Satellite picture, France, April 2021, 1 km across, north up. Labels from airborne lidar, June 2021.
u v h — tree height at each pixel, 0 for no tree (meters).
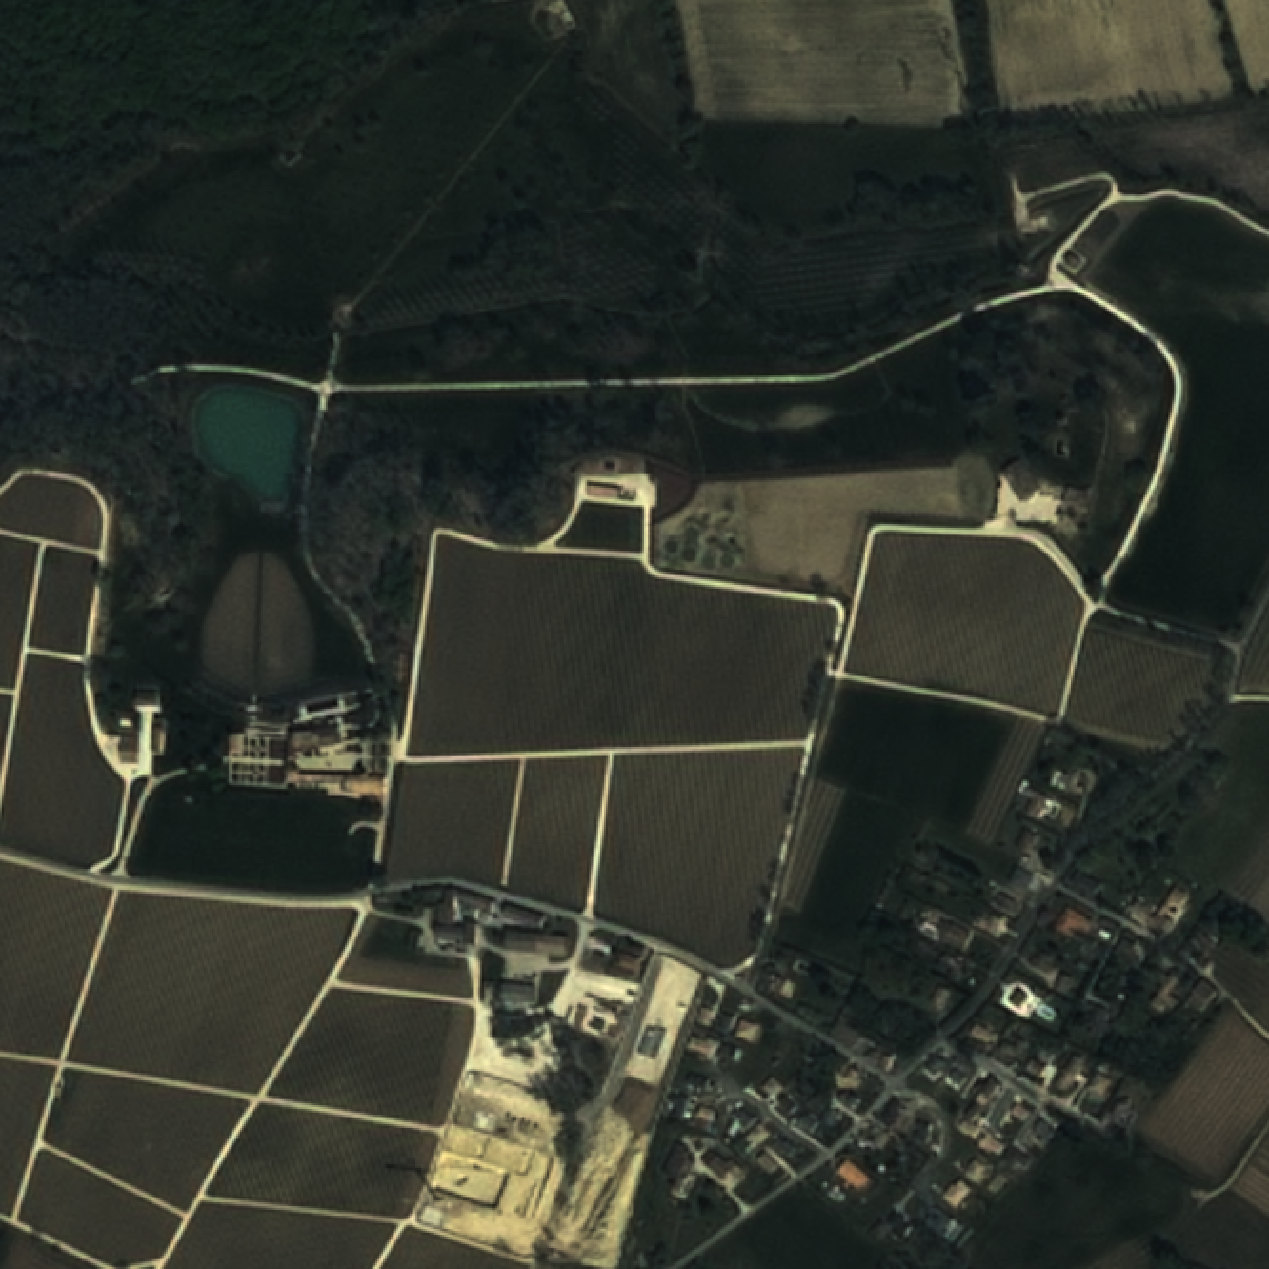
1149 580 0
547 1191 0
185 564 22
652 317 24
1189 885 0
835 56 0
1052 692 0
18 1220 0
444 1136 0
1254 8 0
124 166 15
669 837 0
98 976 0
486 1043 0
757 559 0
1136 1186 0
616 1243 0
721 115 0
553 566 0
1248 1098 0
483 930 9
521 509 24
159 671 0
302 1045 0
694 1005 0
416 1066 0
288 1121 0
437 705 0
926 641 0
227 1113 0
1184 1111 0
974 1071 21
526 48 0
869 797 0
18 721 0
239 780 0
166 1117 0
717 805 0
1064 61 0
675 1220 0
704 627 0
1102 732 0
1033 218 0
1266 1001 0
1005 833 0
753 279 17
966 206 19
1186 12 0
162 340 17
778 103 0
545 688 0
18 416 16
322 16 22
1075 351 0
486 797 0
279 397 0
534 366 0
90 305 19
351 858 0
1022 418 11
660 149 0
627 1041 0
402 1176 0
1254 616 16
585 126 0
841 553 0
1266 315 0
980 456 14
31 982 0
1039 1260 0
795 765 0
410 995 0
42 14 17
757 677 0
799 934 0
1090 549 0
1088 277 0
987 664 0
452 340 20
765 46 0
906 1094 0
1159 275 0
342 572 14
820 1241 0
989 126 18
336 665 0
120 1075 0
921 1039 9
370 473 20
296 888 0
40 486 0
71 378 15
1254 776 0
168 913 0
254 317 0
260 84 23
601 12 0
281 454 0
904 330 17
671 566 0
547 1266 18
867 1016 8
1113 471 0
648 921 0
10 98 19
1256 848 0
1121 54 0
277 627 0
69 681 0
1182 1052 0
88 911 0
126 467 16
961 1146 0
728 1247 0
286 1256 0
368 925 0
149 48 23
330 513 20
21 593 0
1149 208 0
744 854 0
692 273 22
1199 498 0
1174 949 15
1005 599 0
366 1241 0
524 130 15
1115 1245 0
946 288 21
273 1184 0
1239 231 0
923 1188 0
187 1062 0
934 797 0
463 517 18
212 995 0
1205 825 0
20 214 24
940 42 0
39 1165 0
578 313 17
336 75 27
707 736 0
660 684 0
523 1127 0
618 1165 0
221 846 0
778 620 0
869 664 0
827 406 0
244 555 0
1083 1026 7
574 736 0
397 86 0
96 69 20
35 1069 0
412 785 0
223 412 0
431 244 0
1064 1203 0
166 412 16
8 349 13
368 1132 0
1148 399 0
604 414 17
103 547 0
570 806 0
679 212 20
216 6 18
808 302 21
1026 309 0
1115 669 0
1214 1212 0
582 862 0
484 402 0
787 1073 0
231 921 0
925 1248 9
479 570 0
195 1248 0
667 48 7
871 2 0
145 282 12
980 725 0
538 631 0
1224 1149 0
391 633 21
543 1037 17
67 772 0
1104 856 12
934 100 0
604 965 0
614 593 0
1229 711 17
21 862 0
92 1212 0
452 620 0
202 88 21
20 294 19
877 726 0
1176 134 0
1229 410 0
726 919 0
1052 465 15
